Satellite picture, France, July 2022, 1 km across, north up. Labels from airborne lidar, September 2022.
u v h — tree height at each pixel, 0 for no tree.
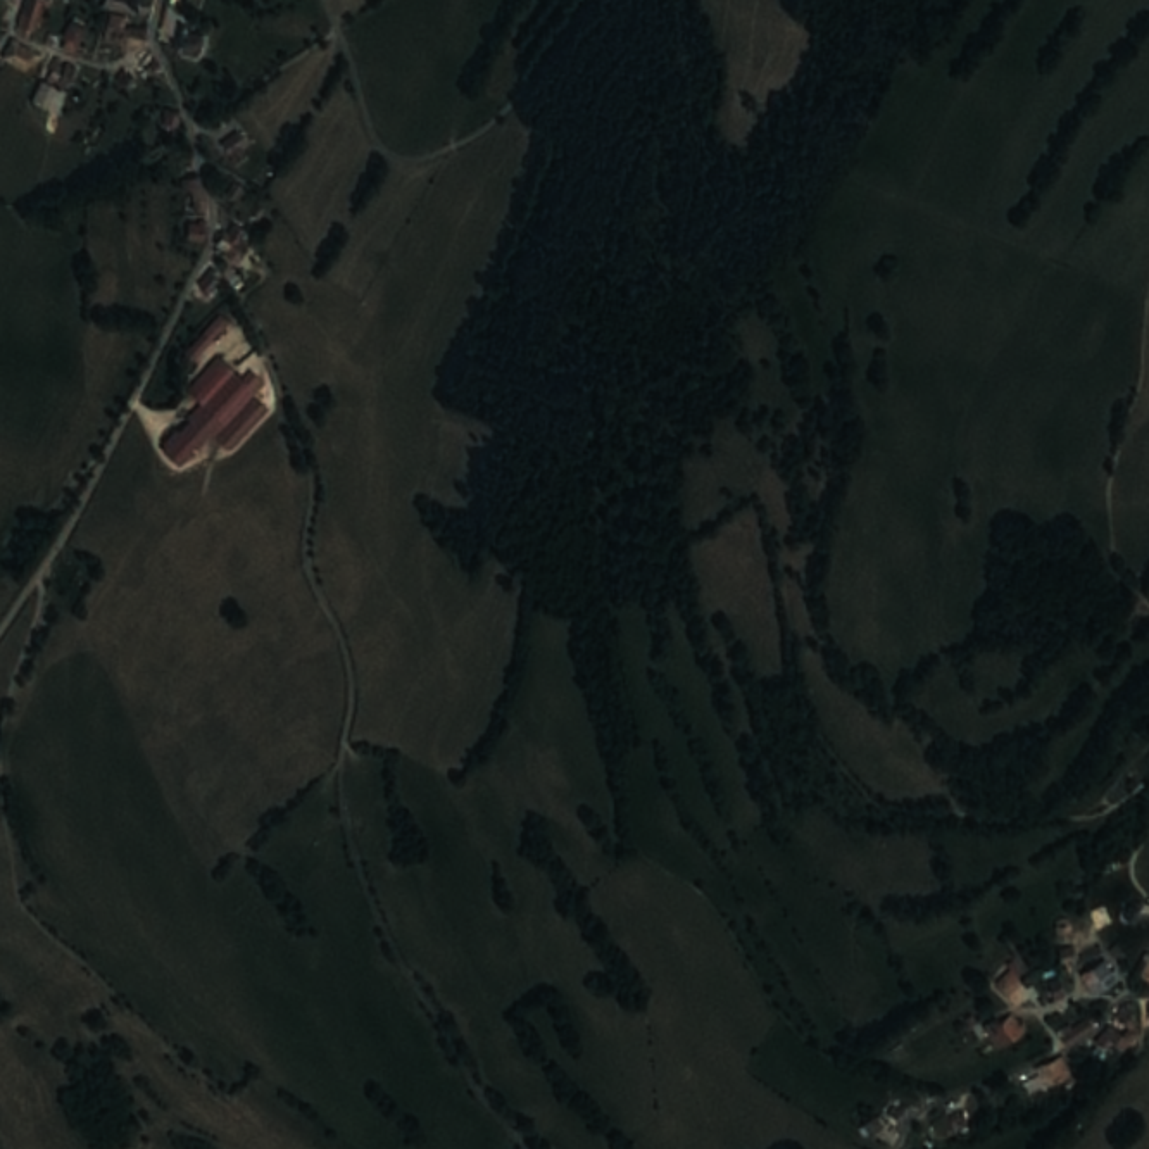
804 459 13
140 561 0
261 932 0
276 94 0
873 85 9
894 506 0
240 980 0
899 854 0
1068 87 0
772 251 25
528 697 0
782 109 17
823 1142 0
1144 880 0
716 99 13
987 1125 16
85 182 21
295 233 0
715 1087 0
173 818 0
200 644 0
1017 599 26
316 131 0
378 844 0
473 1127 0
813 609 13
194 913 0
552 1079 11
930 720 15
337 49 0
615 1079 0
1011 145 0
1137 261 0
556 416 29
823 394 0
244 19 0
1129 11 0
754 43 0
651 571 22
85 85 6
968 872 0
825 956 0
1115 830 13
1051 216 0
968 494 14
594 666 12
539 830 11
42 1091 0
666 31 26
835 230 0
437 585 0
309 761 0
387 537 0
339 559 0
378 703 0
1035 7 0
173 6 0
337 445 0
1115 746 20
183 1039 0
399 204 0
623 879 0
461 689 0
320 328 0
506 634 0
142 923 0
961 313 0
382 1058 0
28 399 0
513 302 13
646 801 0
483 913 0
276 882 17
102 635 0
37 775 0
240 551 0
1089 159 0
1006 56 0
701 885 8
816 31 20
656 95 25
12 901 0
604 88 21
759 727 16
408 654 0
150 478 0
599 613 15
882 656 0
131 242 0
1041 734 17
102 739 0
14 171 0
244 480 0
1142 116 0
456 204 0
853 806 13
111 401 0
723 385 8
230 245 0
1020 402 0
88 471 14
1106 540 0
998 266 0
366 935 0
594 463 9
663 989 0
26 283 0
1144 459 0
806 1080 0
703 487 0
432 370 0
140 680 0
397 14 0
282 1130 0
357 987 0
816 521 14
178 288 8
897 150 0
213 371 0
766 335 0
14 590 0
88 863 0
